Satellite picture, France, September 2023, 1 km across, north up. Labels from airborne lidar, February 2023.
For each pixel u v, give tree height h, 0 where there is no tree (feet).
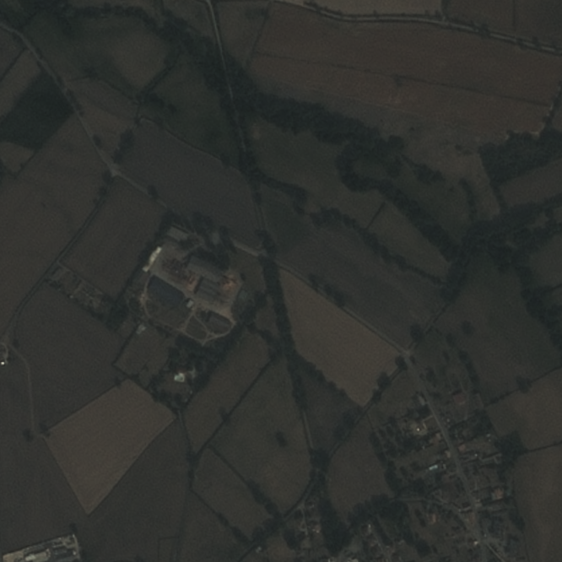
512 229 41
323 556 0
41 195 0
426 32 0
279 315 52
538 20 0
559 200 39
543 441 0
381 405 0
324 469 51
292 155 0
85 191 0
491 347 0
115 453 0
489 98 0
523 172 32
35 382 0
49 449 0
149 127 0
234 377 0
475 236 41
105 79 0
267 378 0
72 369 0
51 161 0
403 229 0
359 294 0
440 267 0
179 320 0
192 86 0
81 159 0
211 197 0
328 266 0
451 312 0
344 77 0
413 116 0
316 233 0
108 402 0
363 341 0
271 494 0
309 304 0
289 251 0
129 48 0
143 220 0
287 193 55
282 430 0
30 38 0
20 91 0
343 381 0
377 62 0
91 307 0
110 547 0
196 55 23
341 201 0
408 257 0
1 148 0
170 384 0
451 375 0
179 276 0
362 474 0
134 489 0
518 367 0
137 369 0
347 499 0
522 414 0
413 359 35
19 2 0
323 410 0
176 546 0
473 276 0
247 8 0
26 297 0
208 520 0
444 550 0
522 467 0
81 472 0
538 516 0
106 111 0
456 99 0
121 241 0
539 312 38
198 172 0
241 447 0
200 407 0
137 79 0
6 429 0
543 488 0
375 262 0
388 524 0
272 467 0
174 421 0
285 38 0
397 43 0
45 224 0
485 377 0
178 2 0
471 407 0
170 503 0
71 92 31
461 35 0
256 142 0
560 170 0
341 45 0
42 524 0
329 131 49
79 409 0
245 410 0
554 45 39
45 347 0
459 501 0
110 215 0
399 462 0
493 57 0
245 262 0
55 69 0
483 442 0
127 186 0
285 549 0
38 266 0
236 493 0
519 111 0
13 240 0
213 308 0
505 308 0
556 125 0
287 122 26
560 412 0
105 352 0
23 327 0
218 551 0
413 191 0
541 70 0
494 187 50
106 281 0
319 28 0
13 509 0
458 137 0
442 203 0
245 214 0
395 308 0
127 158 0
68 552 0
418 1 0
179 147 0
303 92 0
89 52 0
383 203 0
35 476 0
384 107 0
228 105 54
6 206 0
